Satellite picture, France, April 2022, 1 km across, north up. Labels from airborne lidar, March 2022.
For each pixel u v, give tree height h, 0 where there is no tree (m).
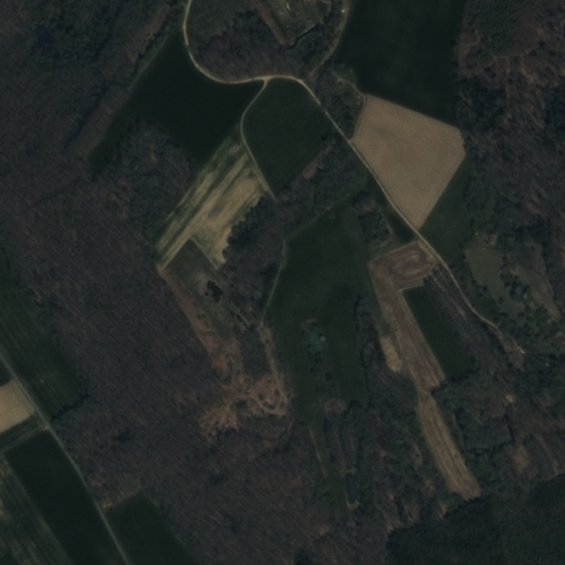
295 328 0
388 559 12
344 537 32
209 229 0
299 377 0
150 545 0
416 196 0
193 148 0
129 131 0
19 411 0
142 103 0
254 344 31
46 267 29
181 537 26
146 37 31
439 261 0
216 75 18
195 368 30
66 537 0
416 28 0
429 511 22
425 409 0
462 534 15
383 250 0
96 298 28
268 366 26
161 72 0
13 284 0
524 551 12
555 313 0
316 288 0
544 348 0
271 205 22
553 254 25
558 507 8
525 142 30
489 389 21
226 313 0
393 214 0
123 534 0
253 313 0
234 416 25
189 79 0
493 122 16
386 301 0
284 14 0
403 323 0
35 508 0
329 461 0
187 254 0
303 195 27
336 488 0
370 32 0
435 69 0
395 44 0
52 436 0
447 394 24
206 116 0
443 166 0
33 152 30
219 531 26
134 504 0
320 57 24
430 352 0
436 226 0
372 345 24
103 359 25
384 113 0
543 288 0
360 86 0
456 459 0
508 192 30
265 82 0
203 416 25
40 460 0
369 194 0
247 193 0
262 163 0
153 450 26
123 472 33
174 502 29
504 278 9
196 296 0
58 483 0
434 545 18
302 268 0
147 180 24
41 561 0
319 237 0
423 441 18
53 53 37
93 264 29
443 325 0
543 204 31
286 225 26
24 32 30
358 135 0
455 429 16
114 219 29
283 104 0
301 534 29
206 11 0
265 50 18
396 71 0
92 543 0
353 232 0
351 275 0
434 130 0
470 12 8
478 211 20
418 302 0
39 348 0
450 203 0
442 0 0
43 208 29
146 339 25
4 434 0
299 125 0
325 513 29
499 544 14
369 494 24
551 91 7
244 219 0
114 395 30
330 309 0
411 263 0
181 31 0
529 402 28
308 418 0
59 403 0
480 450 21
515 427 21
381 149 0
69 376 0
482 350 30
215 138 0
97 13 21
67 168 27
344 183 28
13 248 26
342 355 0
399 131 0
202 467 24
